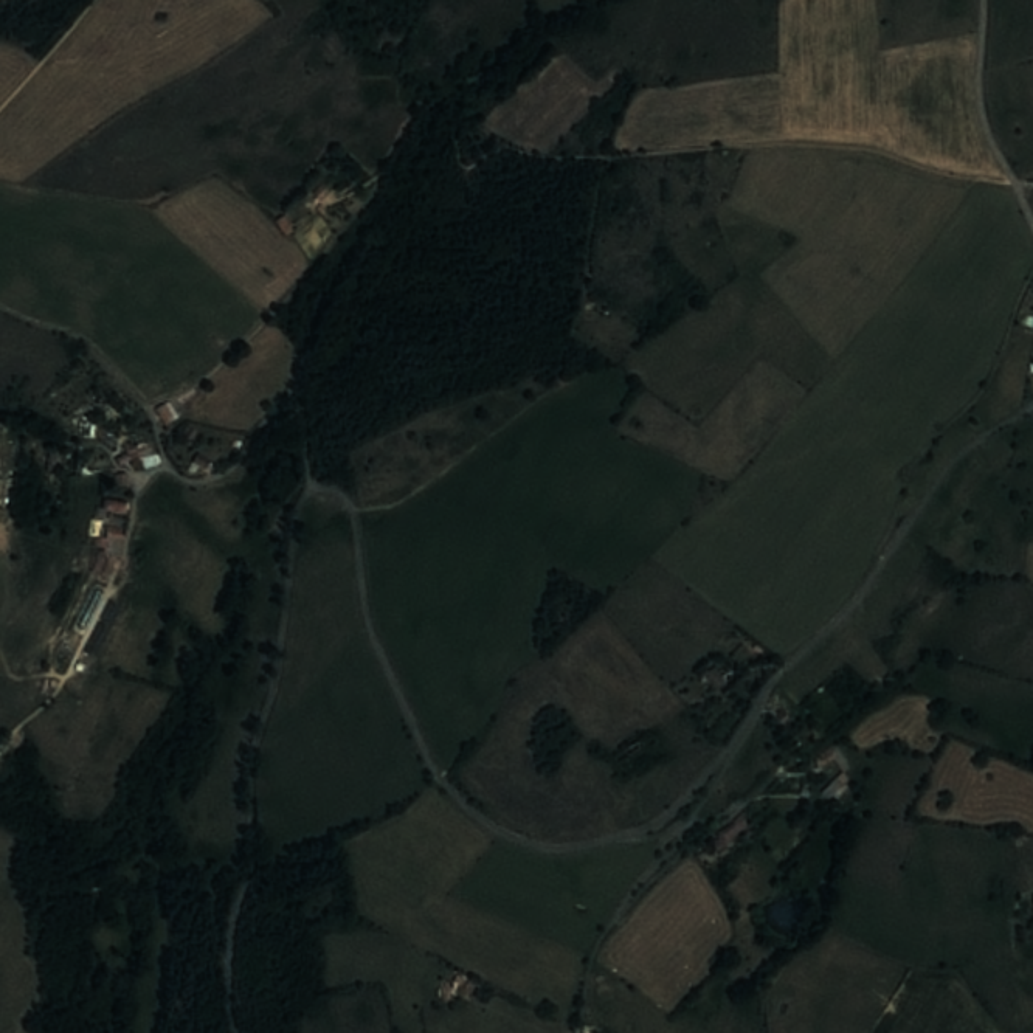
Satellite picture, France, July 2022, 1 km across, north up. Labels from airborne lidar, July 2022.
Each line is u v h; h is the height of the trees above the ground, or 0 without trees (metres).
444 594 0
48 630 0
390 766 0
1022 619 0
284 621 0
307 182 8
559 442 0
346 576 0
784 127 0
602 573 0
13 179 0
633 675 0
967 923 0
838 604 0
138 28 0
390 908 0
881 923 0
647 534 0
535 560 0
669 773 0
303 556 0
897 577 0
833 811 9
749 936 0
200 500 0
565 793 0
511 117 0
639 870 0
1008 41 0
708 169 0
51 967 16
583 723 0
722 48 0
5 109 0
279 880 8
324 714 0
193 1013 15
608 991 0
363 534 0
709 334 0
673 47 0
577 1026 12
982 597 0
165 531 0
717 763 0
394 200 10
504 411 0
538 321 8
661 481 0
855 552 0
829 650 0
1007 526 0
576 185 10
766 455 0
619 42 0
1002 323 0
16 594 0
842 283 0
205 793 0
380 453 0
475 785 0
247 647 15
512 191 7
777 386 0
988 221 0
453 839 0
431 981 0
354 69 0
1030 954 0
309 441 12
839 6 0
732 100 0
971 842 0
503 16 0
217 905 10
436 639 0
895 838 0
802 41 0
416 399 10
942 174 0
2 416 14
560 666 0
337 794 0
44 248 0
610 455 0
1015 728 0
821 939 10
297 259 0
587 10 13
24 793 13
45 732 0
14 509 13
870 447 0
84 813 0
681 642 0
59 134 0
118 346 0
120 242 0
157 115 0
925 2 0
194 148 0
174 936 10
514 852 0
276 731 0
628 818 0
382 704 0
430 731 0
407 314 9
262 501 13
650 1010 0
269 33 0
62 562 0
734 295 0
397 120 0
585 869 0
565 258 10
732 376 0
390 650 0
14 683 0
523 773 0
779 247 0
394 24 11
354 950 0
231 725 0
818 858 0
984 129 0
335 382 9
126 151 0
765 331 0
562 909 0
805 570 0
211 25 0
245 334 0
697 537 0
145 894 24
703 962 0
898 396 0
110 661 0
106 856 7
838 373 0
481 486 0
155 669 17
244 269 0
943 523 0
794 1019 0
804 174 0
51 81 0
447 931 0
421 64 0
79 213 0
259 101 0
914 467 0
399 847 0
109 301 0
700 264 0
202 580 0
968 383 0
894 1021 0
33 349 0
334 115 0
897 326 0
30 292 0
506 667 0
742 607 0
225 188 0
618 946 0
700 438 0
